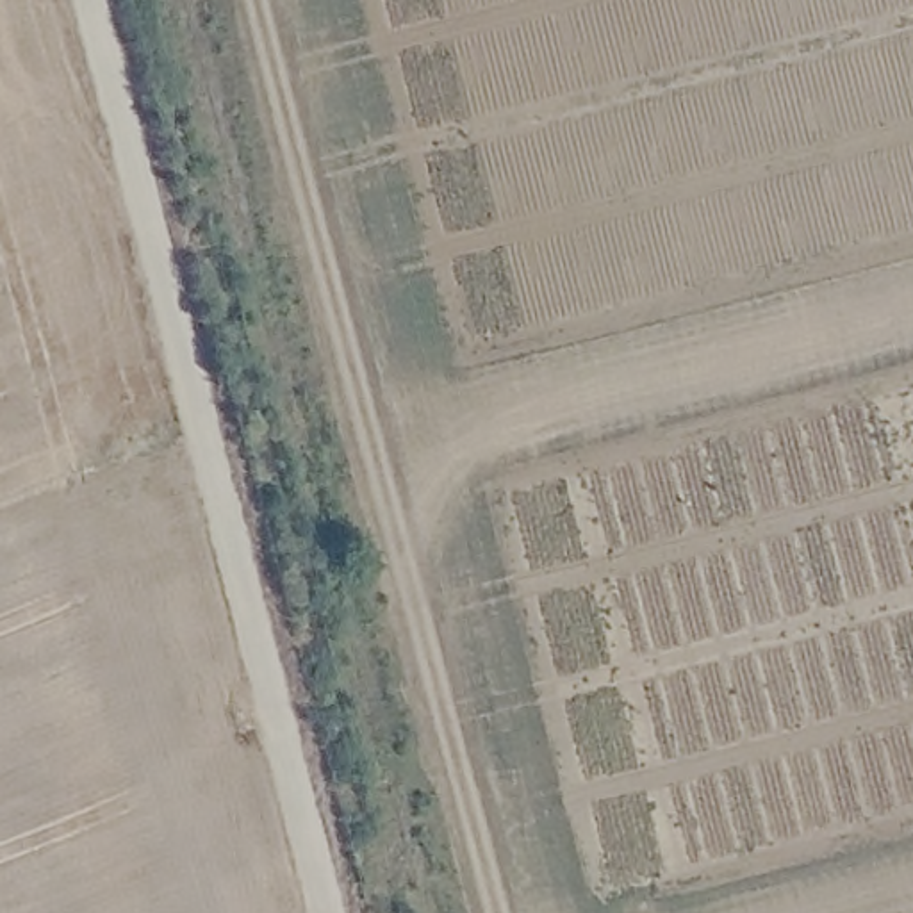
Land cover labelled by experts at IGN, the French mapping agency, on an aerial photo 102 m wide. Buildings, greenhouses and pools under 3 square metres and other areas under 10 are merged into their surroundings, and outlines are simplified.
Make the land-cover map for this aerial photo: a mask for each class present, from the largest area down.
<instances>
[{"label":"agricultural land","instance_id":"1","mask_svg":"<svg viewBox=\"0 0 913 913\"><path fill-rule=\"evenodd\" d=\"M260 728L253 685L239 646L225 571L210 535L203 492L196 485V467L185 449L171 374L164 364L150 292L139 271V253L121 196L111 132L96 100V82L89 71L71 0H0V913H307L300 863L285 827L275 770L257 735ZM328 235L335 246L342 289L364 353L374 414L385 435L392 478L407 471L414 517L432 514L449 531V539H432L428 556L421 560V578L428 588L439 649L453 685L510 913H913V0H271Z\"/></svg>","mask_w":913,"mask_h":913},{"label":"pervious surface","instance_id":"2","mask_svg":"<svg viewBox=\"0 0 913 913\"><path fill-rule=\"evenodd\" d=\"M89 71L96 82V100L111 132L121 196L139 253V271L150 292L164 364L171 374L185 449L196 467V485L203 492L210 535L225 571L239 646L253 685L260 728L257 735L275 770L285 827L300 863L307 913H346L342 877L339 852L328 842L314 799L300 724L296 713L275 646V624L257 563V510L246 499L243 464L221 435V414L214 407L210 378L196 360L193 317L182 310L178 300V271L171 260L164 210L160 182L153 178L150 153L143 143V125L132 111L125 53L111 25L107 0H71ZM289 193L300 214L303 253L310 264V275H303L300 282L303 300L310 303L314 353L325 367V396L332 417L346 446V464L353 478L339 496L342 514L382 553V624L396 635V656L403 667L396 695L410 710V724L417 731V756L446 817L464 913H510L453 685L439 649L428 588L421 578V560L428 556L432 539H449V531L432 514L414 517L407 471L392 478L385 435L374 414L364 353L342 289L335 246L328 235L271 0H243Z\"/></svg>","mask_w":913,"mask_h":913},{"label":"herbaceous vegetation","instance_id":"3","mask_svg":"<svg viewBox=\"0 0 913 913\"><path fill-rule=\"evenodd\" d=\"M160 53L175 61L171 93L157 103V114L189 111L200 150L214 157V175L221 185L210 193V207L225 214L235 267L246 275L243 310L253 314L250 342L264 357L260 371L267 378L260 399L275 403V414H253L246 424L253 474L264 485L271 481L267 442H285L292 453L307 442L310 428L332 417L325 396V367L314 353L310 303L303 300L300 282L303 275H310V264L303 253L300 214L289 193L243 0H157ZM171 260L178 271V300L182 310L193 317L196 360L210 378L221 374V360L214 350V332L203 314L207 303L200 300V278L193 260L196 250H203V239L164 210ZM310 642V617L296 613V631H282L275 624V646L296 713L307 703V692L296 674V653ZM403 667L396 656V635L382 624V617H374L371 624H342L339 638L325 646L317 663L321 703H335L339 692L353 699V735L367 763V802L378 810V831L367 842H353L364 884L353 888L342 877L346 913H464L446 817L417 756V731L410 724V710L396 695ZM314 799L328 842L339 852L314 735L300 724Z\"/></svg>","mask_w":913,"mask_h":913},{"label":"brushwood","instance_id":"4","mask_svg":"<svg viewBox=\"0 0 913 913\"><path fill-rule=\"evenodd\" d=\"M111 25L125 53L132 111L143 125V143L150 153L153 178L160 182L164 210L203 239V250H196L193 260L200 278V300L207 303L203 314L214 332V350L221 360V374L210 378L214 407L221 414V435L243 464L246 499L257 510V563L275 624L282 631H296V613L310 617V642L296 653V674L307 692V703L296 713L300 724L314 735L339 852L342 877L353 888L364 884L353 842H367L378 831V810L367 802V763L353 735V699L339 692L335 703H321L317 663L325 646L339 638L342 624H371L374 617H382V553L342 514L339 496L353 478L346 464V446L332 417L310 428L307 442L292 453L285 442H267L271 481L264 485L253 474L246 424L253 414H275V403L260 399L267 378L260 371L264 357L250 342L253 314L243 310L246 275L235 267L225 214L210 207V193L221 185L214 175V157L200 150L189 111L157 114V103L171 93L175 61L160 53L157 0H107Z\"/></svg>","mask_w":913,"mask_h":913}]
</instances>
